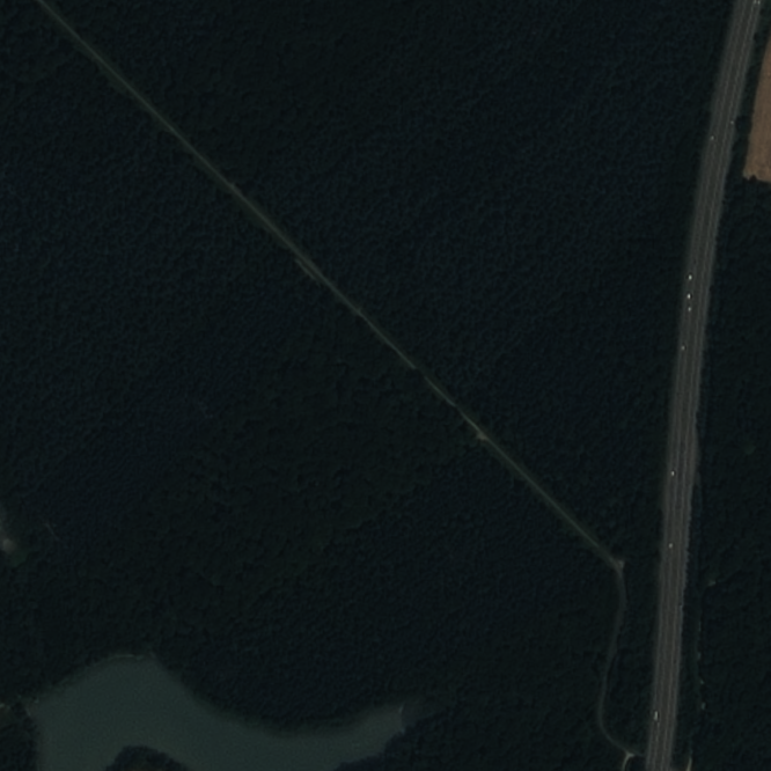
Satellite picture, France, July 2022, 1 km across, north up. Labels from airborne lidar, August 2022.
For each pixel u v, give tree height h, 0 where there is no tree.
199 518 22
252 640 18
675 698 0
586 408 20
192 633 19
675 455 0
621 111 32
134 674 0
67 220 32
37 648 28
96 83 15
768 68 0
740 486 26
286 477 26
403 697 17
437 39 21
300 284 12
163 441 18
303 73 23
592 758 13
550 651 20
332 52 24
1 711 0
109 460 23
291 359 20
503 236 33
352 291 32
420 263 23
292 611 19
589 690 22
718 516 21
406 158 24
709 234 0
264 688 16
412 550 19
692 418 0
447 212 34
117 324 30
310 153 28
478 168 17
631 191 21
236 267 25
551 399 22
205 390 22
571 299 19
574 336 17
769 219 18
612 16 18
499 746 22
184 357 20
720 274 9
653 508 20
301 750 0
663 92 33
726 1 11
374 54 23
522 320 29
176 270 23
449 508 19
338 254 33
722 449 22
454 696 7
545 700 22
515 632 24
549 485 14
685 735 10
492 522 19
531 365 16
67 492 20
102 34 16
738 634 22
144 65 19
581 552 16
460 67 23
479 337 26
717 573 18
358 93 28
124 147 21
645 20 27
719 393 16
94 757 0
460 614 21
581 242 26
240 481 23
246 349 13
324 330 22
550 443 22
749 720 25
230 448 22
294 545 12
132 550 20
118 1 16
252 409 23
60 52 29
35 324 28
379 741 0
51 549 21
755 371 18
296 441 23
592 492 16
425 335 26
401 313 20
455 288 27
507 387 18
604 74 34
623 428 20
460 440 22
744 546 25
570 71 19
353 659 14
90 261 32
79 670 17
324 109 21
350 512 25
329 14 23
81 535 25
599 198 29
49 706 0
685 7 27
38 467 30
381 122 20
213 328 20
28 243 33
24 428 26
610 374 16
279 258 17
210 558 21
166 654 23
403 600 20
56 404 25
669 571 0
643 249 19
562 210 22
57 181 22
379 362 26
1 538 0
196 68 27
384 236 23
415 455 25
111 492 23
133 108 16
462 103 28
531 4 29
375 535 18
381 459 25
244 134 24
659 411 20
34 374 25
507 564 20
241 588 24
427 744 22
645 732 12
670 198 23
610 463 19
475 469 17
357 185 25
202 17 20
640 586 25
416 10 20
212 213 29
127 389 13
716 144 0
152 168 20
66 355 26
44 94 22
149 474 22
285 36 19
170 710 0
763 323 22
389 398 26
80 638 27
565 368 21
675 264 17
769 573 24
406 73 25
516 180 26
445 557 19
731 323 23
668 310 21
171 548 22
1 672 23
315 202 26
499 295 27
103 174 31
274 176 28
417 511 19
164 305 23
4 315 31
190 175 28
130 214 31
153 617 23
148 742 0
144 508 22
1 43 21
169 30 24
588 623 20
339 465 16
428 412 23
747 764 21
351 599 16
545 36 22
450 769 26
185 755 0
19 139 20
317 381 25
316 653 16
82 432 26
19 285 26
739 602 23
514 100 17
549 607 20
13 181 24
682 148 23
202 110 27
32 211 17
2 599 19
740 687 22
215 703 19
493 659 20
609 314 21
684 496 0
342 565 19
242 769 0
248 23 19
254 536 21
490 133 23
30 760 19
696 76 27
